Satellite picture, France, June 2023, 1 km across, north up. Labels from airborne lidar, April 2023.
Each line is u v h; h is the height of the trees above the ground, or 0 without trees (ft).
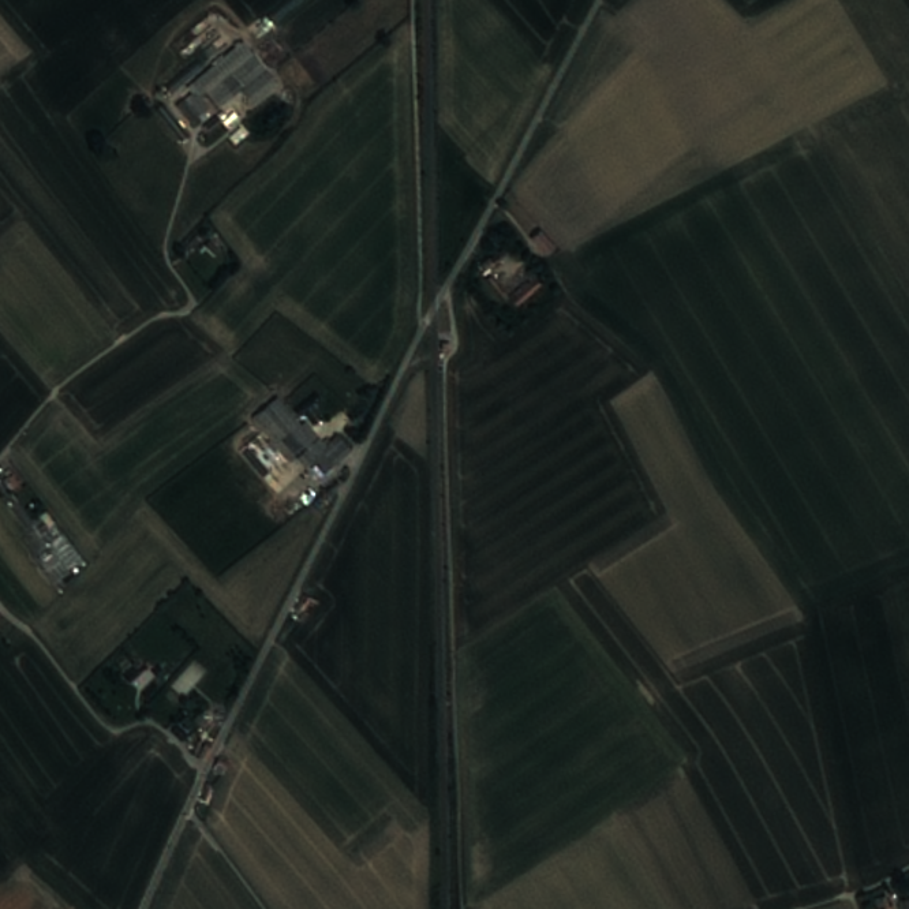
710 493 0
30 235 0
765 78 0
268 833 0
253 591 0
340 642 0
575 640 0
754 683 0
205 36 0
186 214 0
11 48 0
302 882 0
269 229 0
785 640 0
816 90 0
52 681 0
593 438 0
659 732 0
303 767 0
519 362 0
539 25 0
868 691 0
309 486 0
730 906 0
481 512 0
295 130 0
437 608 0
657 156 0
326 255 0
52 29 0
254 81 0
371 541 0
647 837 0
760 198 0
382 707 0
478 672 0
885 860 0
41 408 0
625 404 0
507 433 0
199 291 0
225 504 0
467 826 0
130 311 0
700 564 0
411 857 0
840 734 0
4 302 0
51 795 0
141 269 0
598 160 0
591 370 0
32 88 0
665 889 0
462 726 0
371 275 0
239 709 0
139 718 23
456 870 0
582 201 0
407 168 0
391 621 0
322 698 0
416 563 0
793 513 0
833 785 0
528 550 0
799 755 0
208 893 0
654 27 0
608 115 0
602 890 0
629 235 0
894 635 0
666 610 0
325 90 0
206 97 0
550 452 0
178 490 0
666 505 0
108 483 0
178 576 0
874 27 0
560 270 0
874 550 0
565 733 0
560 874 0
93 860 0
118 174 0
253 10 0
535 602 0
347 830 0
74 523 0
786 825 0
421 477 0
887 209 0
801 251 0
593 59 0
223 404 0
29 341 0
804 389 0
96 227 0
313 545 0
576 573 0
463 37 0
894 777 0
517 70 0
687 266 0
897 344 0
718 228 0
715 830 0
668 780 0
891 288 0
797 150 0
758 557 0
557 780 0
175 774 0
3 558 0
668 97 0
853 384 0
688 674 0
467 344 0
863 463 0
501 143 0
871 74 0
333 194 0
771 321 0
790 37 0
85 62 0
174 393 0
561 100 0
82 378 0
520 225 0
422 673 0
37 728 0
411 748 0
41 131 0
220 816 0
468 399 0
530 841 0
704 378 0
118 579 0
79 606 0
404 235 0
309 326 0
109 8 0
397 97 0
